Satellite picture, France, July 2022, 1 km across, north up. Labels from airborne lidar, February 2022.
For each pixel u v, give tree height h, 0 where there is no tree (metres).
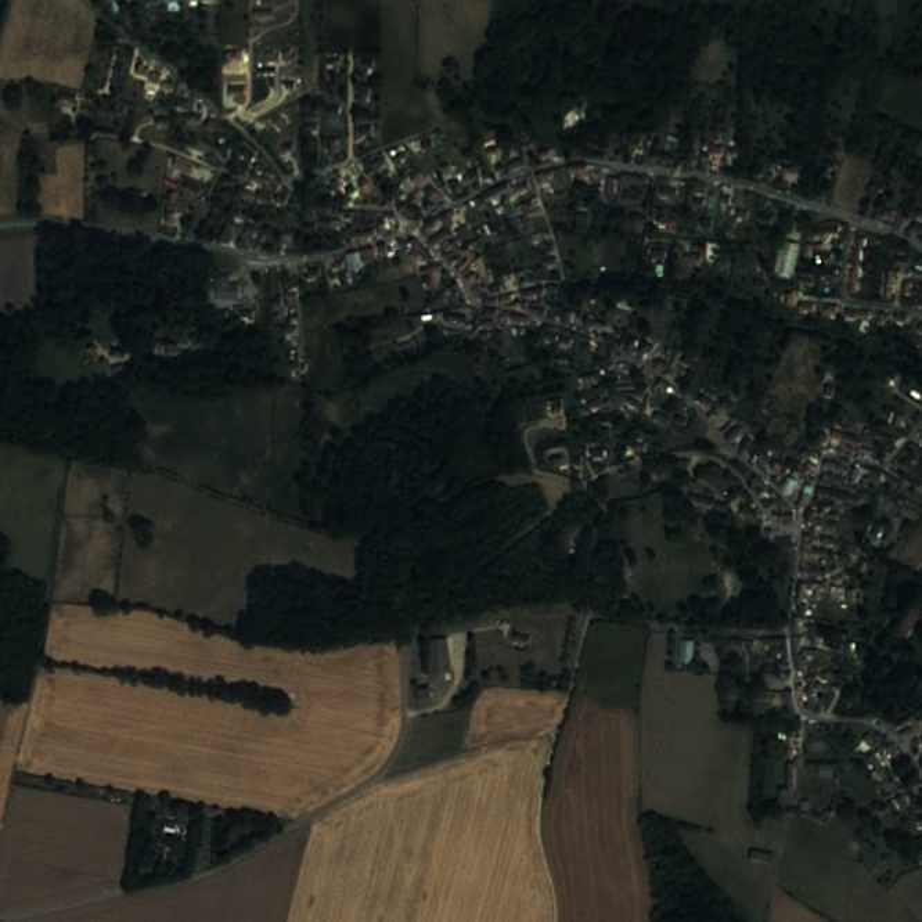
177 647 0
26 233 0
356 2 0
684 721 0
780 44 21
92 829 0
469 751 0
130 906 0
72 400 24
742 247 6
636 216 10
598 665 0
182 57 10
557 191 0
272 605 27
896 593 7
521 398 8
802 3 22
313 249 7
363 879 0
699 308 22
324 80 6
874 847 8
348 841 0
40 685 0
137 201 20
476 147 7
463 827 0
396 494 24
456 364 0
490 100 14
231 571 0
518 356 0
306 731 0
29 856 0
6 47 0
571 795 0
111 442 21
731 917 10
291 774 0
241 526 0
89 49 0
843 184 0
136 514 0
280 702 18
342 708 0
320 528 7
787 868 0
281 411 0
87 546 0
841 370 8
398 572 21
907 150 8
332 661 0
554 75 23
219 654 0
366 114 15
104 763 0
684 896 15
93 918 0
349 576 0
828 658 0
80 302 22
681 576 0
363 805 0
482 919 0
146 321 21
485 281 0
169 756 0
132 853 14
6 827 0
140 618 0
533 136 7
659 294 22
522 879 0
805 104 28
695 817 0
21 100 14
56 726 0
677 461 10
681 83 20
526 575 7
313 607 28
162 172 0
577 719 0
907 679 24
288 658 0
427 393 14
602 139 12
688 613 20
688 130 13
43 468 0
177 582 0
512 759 0
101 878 0
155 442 0
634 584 0
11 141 0
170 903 0
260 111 0
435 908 0
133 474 0
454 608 18
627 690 0
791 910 0
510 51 19
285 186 0
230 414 0
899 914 0
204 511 0
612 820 0
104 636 0
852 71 10
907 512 0
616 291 20
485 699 0
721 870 0
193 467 0
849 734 6
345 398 0
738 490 7
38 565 0
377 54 8
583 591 8
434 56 0
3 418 25
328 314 0
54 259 28
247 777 0
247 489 0
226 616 0
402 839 0
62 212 0
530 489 6
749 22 20
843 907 0
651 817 13
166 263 28
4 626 7
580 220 8
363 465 24
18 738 0
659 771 0
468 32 0
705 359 8
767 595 19
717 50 0
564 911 0
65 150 0
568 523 14
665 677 0
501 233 6
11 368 18
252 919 0
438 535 29
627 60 25
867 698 19
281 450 0
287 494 0
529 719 0
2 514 0
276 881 0
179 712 0
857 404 11
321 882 0
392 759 0
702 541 0
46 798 0
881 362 8
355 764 0
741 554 6
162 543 0
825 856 0
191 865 10
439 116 0
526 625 0
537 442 0
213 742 0
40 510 0
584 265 0
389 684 0
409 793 0
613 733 0
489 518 11
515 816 0
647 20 14
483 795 0
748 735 0
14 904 0
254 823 10
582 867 0
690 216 13
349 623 27
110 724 0
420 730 0
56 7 0
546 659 0
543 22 21
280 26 0
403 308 0
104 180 8
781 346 7
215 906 0
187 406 0
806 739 0
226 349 21
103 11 6
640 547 0
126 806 0
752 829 0
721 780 0
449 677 0
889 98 0
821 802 0
